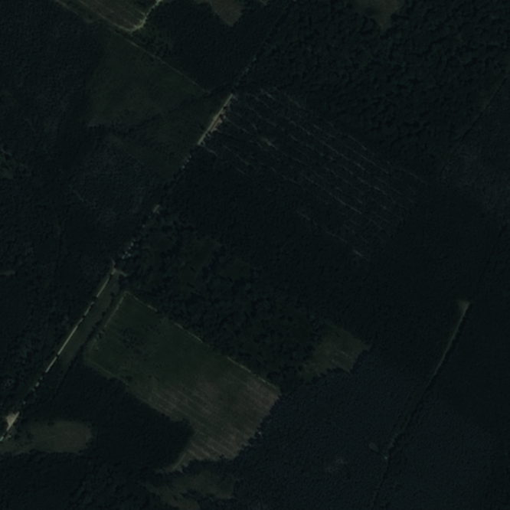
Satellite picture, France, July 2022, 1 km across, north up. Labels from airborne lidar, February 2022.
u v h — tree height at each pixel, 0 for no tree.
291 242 17
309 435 23
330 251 16
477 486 25
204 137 0
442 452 24
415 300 19
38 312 14
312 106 16
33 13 12
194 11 11
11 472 18
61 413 13
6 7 8
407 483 22
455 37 30
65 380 8
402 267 17
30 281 9
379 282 18
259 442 22
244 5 12
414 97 29
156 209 0
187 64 10
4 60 7
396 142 25
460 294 16
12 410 8
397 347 17
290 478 22
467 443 24
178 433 9
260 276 25
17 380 5
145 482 16
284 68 23
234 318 26
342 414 21
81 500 29
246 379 0
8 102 25
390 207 20
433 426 24
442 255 18
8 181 17
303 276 16
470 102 24
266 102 18
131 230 7
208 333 22
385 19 0
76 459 8
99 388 7
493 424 19
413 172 18
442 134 29
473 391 19
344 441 24
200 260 0
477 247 20
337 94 28
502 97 7
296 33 26
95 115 6
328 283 12
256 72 14
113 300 10
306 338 0
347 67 24
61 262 13
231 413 0
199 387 0
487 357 20
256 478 20
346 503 24
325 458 20
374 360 23
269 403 0
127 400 10
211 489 0
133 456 10
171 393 0
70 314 9
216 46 8
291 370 22
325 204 18
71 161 12
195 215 17
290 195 19
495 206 8
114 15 0
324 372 0
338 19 27
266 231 18
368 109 27
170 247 0
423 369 17
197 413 0
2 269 15
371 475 18
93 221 9
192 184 19
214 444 0
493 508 12
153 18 10
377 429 21
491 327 18
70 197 8
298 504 24
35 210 17
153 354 0
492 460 23
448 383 21
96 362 0
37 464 14
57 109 8
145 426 16
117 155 9
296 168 16
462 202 15
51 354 8
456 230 21
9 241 7
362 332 17
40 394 8
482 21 27
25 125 10
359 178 20
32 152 8
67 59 8
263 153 16
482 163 8
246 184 18
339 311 20
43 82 7
